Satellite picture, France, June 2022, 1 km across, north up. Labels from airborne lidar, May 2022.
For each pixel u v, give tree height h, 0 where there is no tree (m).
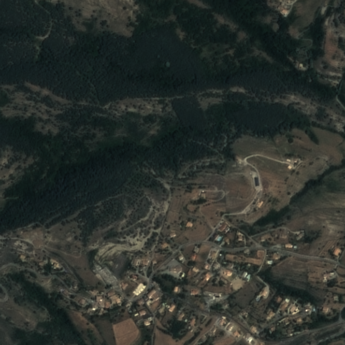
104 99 14
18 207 10
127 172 10
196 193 0
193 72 19
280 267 0
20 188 15
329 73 0
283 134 9
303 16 0
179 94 11
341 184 0
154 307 0
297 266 0
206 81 18
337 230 0
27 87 7
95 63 16
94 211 9
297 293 11
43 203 17
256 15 14
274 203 0
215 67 9
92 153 9
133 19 0
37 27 14
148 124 9
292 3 0
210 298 0
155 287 8
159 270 7
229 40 7
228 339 0
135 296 0
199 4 0
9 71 20
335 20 11
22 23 14
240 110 19
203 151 10
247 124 20
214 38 15
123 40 16
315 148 0
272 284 6
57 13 13
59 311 18
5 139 10
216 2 13
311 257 0
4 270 0
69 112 12
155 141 13
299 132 0
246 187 0
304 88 12
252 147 0
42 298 19
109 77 19
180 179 7
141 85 19
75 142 5
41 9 16
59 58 25
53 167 11
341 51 0
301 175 0
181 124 16
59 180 21
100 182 19
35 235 0
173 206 0
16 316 0
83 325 0
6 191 8
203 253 0
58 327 9
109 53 17
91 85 13
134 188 9
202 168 7
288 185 0
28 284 7
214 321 0
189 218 7
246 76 20
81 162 12
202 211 0
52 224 7
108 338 0
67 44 13
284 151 0
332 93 13
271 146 0
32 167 12
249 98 13
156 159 8
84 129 9
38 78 14
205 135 12
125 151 14
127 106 8
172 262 0
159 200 0
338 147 0
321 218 0
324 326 0
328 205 0
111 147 8
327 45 0
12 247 0
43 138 9
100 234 0
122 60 16
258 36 7
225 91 8
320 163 0
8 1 18
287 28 9
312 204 0
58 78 17
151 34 17
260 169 0
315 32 10
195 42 7
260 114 20
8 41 15
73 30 9
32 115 8
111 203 10
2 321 0
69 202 10
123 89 16
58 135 7
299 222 0
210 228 0
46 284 0
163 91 20
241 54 12
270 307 8
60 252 0
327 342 10
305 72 12
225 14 7
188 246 0
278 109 19
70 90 16
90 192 7
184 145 11
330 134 0
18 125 19
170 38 15
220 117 8
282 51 13
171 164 10
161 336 0
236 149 0
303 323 6
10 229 7
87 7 0
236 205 0
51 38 13
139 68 19
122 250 0
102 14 0
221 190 0
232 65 12
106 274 0
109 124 9
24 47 13
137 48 17
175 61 16
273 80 20
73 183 8
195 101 11
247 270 10
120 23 0
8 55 14
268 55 7
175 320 7
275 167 0
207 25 13
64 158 17
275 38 16
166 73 19
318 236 7
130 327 0
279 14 10
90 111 8
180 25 6
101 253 0
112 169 15
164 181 0
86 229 6
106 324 0
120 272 0
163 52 14
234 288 0
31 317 0
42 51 7
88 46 6
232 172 0
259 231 7
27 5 14
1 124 14
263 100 13
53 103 8
